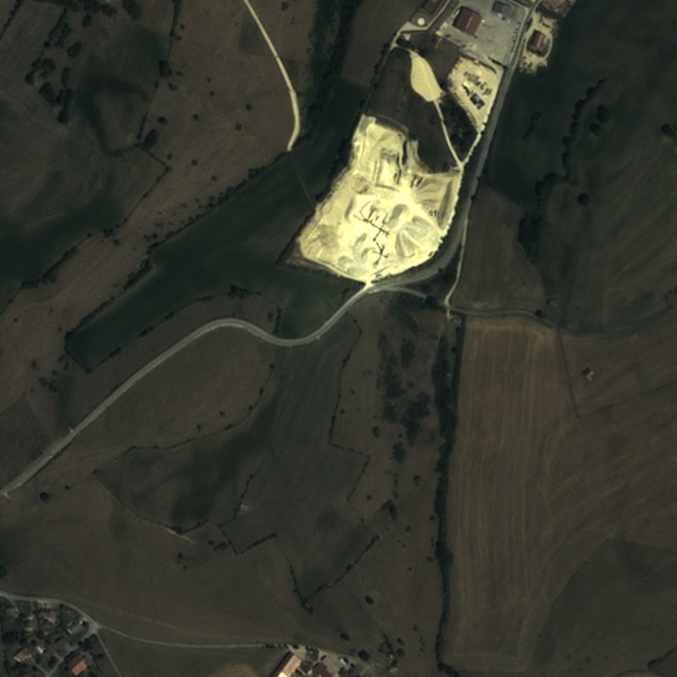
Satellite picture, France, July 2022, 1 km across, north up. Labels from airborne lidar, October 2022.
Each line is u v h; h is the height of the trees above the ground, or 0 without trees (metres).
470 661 0
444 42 0
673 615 0
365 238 0
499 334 0
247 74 0
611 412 0
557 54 0
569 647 0
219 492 0
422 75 0
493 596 0
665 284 0
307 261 0
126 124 0
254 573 0
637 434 0
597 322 0
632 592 0
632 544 0
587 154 0
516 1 0
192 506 0
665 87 0
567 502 0
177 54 0
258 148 0
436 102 0
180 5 11
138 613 0
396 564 0
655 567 0
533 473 0
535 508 0
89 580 0
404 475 0
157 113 0
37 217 0
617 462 0
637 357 0
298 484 0
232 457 0
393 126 0
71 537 0
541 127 0
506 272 0
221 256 0
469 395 0
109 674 0
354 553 0
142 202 0
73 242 0
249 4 0
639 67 0
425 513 0
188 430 0
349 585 0
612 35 0
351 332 0
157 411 0
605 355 0
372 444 0
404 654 9
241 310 0
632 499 0
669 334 0
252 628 0
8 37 0
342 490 0
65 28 7
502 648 0
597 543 0
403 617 0
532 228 9
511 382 0
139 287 0
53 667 6
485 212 0
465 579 0
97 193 0
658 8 0
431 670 0
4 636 7
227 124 0
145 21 0
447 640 0
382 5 0
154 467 0
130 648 0
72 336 15
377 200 0
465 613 0
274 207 0
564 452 0
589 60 0
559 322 0
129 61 0
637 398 0
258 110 0
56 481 0
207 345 0
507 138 0
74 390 0
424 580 0
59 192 0
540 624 0
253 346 0
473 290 0
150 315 0
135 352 0
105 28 0
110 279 0
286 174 0
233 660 0
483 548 0
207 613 0
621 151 0
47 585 0
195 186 0
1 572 14
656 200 0
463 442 0
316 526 0
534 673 0
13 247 0
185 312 0
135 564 0
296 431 0
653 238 0
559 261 0
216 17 0
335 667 0
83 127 0
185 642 0
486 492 0
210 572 0
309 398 0
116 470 0
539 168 0
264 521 0
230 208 0
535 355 0
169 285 0
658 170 0
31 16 0
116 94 0
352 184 0
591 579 0
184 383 0
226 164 0
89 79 0
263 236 0
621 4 0
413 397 0
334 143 0
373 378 0
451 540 0
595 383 0
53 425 0
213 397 0
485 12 0
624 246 0
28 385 0
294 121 0
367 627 0
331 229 0
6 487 0
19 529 0
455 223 6
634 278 0
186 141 0
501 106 0
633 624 0
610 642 0
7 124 0
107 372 0
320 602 0
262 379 0
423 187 0
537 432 0
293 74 0
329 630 0
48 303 0
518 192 0
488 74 0
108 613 0
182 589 0
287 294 0
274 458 0
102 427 0
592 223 0
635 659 0
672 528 0
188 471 0
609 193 0
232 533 0
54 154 0
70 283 0
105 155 0
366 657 14
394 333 0
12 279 0
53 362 0
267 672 0
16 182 0
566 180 7
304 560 0
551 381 0
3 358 0
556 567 0
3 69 0
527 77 0
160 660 0
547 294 0
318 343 0
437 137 0
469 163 8
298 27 0
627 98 0
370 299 0
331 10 6
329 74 12
